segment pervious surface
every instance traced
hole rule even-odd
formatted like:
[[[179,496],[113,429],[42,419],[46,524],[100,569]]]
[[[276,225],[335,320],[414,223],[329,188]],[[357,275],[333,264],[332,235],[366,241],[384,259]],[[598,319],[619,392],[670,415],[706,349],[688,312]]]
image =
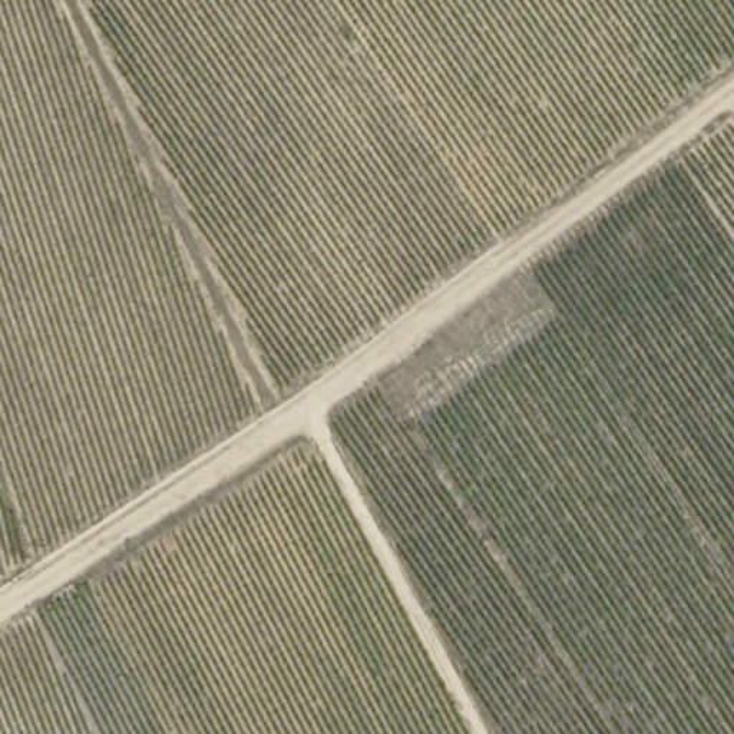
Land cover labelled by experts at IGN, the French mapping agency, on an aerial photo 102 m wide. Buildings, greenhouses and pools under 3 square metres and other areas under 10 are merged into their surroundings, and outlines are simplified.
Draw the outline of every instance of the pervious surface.
[[[470,734],[490,734],[476,700],[470,697],[464,680],[450,662],[450,654],[433,619],[424,614],[401,559],[396,556],[390,539],[381,533],[364,493],[358,490],[333,439],[330,410],[350,393],[361,390],[384,367],[407,358],[433,330],[439,330],[447,318],[464,310],[470,301],[476,301],[482,292],[496,287],[505,275],[533,264],[536,258],[553,255],[559,249],[562,235],[568,235],[579,221],[599,215],[608,206],[608,201],[614,201],[628,184],[642,178],[645,172],[657,169],[711,118],[717,118],[720,112],[734,112],[734,77],[708,89],[702,100],[682,112],[665,132],[659,132],[634,155],[628,155],[619,166],[599,172],[573,201],[556,206],[525,232],[496,241],[482,255],[462,264],[450,278],[433,281],[433,287],[413,298],[413,304],[401,307],[393,318],[381,318],[378,333],[364,330],[356,341],[350,341],[341,350],[335,367],[324,367],[321,376],[304,390],[298,390],[292,399],[287,399],[264,416],[249,419],[232,436],[215,442],[212,447],[192,456],[186,464],[155,479],[146,490],[126,499],[100,522],[77,530],[72,539],[49,551],[43,559],[32,562],[23,579],[0,588],[0,625],[6,625],[9,616],[14,616],[26,605],[77,579],[86,568],[118,551],[126,539],[138,536],[172,510],[184,507],[195,496],[206,493],[218,482],[252,464],[270,447],[281,444],[290,436],[310,436],[327,459],[330,470],[335,473],[356,519],[361,522],[376,556],[381,559],[421,645],[427,648],[439,677],[453,694]]]

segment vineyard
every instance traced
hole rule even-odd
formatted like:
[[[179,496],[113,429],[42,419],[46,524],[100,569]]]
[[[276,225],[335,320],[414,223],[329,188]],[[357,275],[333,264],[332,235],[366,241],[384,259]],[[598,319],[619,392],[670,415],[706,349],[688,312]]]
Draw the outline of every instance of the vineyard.
[[[657,169],[645,172],[642,178],[628,184],[614,201],[608,201],[608,206],[599,215],[579,221],[568,235],[562,235],[559,249],[553,255],[536,258],[533,264],[505,275],[496,287],[482,292],[476,301],[470,301],[464,310],[447,318],[439,330],[433,330],[407,358],[384,367],[361,390],[350,393],[330,410],[333,439],[358,490],[364,493],[381,533],[390,539],[396,556],[401,559],[424,614],[433,619],[450,654],[450,662],[464,680],[470,697],[476,700],[490,734],[734,734],[734,112],[720,112],[717,118],[711,118]]]
[[[327,459],[310,436],[290,436],[281,444],[270,447],[252,464],[218,482],[206,493],[195,496],[184,507],[172,510],[138,536],[126,539],[118,551],[86,568],[77,579],[26,605],[14,616],[9,616],[6,625],[0,625],[0,734],[470,734],[453,694],[439,677],[427,648],[421,645],[381,559],[376,556],[361,522],[356,519],[335,473],[330,470]]]
[[[298,390],[304,390],[321,376],[324,367],[335,367],[341,350],[350,341],[356,341],[364,330],[378,333],[381,318],[393,318],[401,307],[413,304],[413,298],[433,287],[433,281],[450,278],[462,264],[482,255],[496,241],[525,232],[556,206],[573,201],[599,172],[619,166],[628,155],[634,155],[659,132],[665,132],[682,112],[702,100],[708,89],[734,77],[734,0],[0,0],[0,588],[23,579],[32,562],[43,559],[49,551],[72,539],[77,530],[100,522],[126,499],[146,490],[155,479],[186,464],[192,456],[212,447],[215,442],[232,436],[249,419],[264,416],[287,399],[292,399]]]

